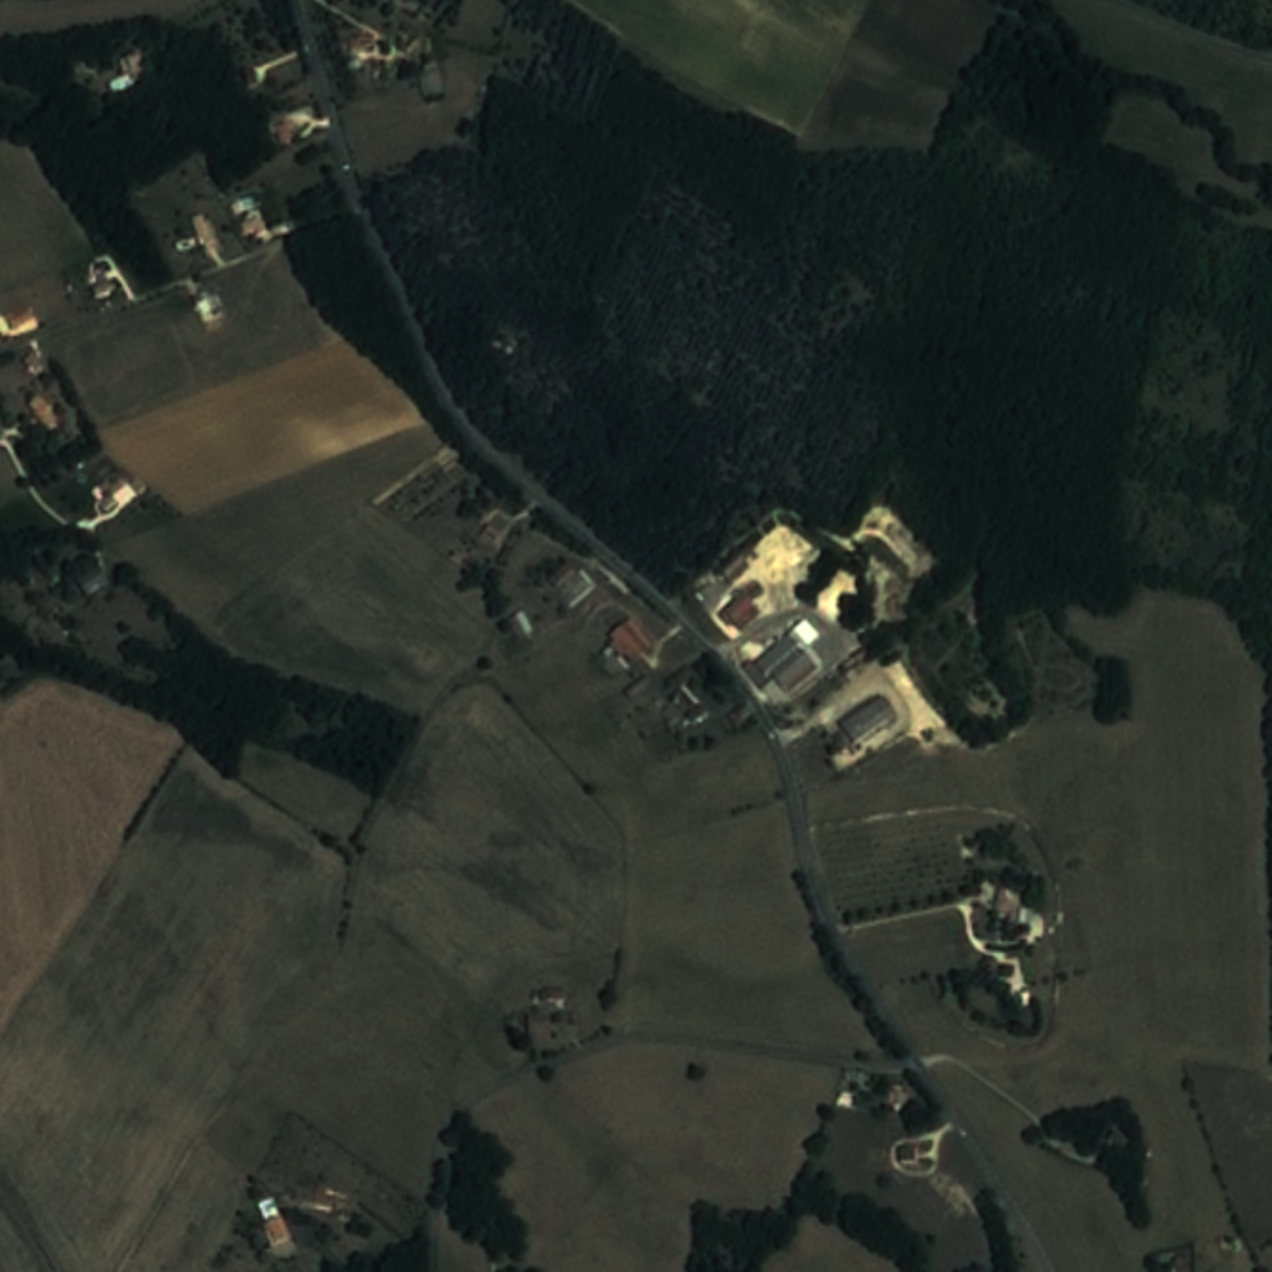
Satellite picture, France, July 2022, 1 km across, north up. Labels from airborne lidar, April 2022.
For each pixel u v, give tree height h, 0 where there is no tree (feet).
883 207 31
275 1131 0
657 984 0
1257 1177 0
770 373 28
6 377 0
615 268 39
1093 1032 0
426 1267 42
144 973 0
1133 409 33
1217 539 0
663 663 0
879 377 47
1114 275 29
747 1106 0
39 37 36
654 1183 0
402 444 0
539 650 0
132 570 40
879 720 0
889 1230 50
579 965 0
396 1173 0
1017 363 40
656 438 40
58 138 64
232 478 0
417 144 0
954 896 38
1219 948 0
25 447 51
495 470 44
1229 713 0
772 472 30
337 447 0
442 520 0
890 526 0
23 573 48
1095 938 0
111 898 0
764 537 0
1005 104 32
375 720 55
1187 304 23
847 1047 0
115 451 0
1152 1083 0
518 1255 43
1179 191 41
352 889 0
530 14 33
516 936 0
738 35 0
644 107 47
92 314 0
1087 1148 37
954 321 51
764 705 0
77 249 0
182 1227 0
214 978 0
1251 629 38
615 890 0
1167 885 0
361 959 0
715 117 36
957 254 44
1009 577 46
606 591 0
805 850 0
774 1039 0
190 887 0
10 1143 0
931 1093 32
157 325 0
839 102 0
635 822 0
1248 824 0
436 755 0
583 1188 0
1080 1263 0
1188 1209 0
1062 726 0
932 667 0
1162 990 0
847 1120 0
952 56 0
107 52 40
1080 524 35
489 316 54
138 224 47
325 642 0
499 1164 46
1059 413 27
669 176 29
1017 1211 0
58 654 36
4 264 0
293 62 0
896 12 0
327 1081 0
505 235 43
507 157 31
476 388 61
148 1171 0
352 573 0
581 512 26
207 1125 0
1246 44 25
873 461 19
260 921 0
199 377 0
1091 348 33
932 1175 0
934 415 54
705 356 25
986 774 0
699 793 0
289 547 0
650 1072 0
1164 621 0
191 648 38
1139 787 0
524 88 28
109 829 0
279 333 0
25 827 0
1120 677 42
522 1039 53
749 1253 31
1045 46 46
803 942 0
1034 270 24
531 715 0
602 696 0
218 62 55
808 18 0
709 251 27
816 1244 0
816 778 0
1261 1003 0
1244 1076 0
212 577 0
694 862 0
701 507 30
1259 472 32
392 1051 0
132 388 0
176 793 0
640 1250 0
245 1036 0
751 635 0
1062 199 21
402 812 0
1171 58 0
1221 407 0
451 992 0
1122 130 0
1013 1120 0
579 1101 0
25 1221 0
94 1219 0
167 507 0
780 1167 0
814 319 25
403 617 0
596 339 35
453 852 0
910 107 0
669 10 0
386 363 40
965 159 25
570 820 0
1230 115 0
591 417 38
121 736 0
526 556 0
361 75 0
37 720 0
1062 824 0
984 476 49
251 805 0
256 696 52
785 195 48
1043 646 0
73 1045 0
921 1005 0
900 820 0
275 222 20
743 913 0
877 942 0
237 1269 0
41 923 0
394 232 47
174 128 50
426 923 0
